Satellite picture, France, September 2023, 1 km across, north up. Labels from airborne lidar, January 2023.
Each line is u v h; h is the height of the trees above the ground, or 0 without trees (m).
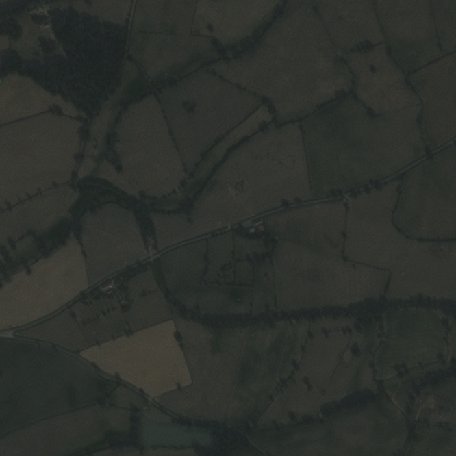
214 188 0
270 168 0
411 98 0
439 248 0
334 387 0
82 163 0
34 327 0
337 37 0
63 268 0
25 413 0
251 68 0
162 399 0
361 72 0
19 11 15
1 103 0
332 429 0
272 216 0
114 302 0
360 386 0
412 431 22
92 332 0
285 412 0
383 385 17
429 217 0
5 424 0
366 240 0
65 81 20
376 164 0
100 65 23
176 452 0
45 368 0
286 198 0
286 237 0
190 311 8
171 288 0
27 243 0
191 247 0
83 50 23
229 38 0
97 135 0
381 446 0
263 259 11
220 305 0
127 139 0
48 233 0
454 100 0
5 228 0
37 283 0
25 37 0
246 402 0
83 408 0
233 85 0
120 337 0
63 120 0
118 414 0
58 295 0
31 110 0
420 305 14
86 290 0
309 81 0
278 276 0
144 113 0
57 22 23
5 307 0
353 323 0
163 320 0
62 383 0
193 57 0
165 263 0
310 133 0
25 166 0
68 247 0
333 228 0
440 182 0
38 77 24
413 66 0
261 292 0
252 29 0
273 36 0
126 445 14
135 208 7
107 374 0
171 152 0
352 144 0
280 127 7
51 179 0
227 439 21
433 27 0
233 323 13
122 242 0
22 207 0
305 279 0
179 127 0
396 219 0
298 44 0
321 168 0
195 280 0
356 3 0
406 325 0
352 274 0
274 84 0
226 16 0
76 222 17
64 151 0
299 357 0
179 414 0
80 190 15
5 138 0
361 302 0
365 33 0
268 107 12
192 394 0
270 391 0
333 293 0
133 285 0
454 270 0
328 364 0
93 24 21
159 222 0
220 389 0
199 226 0
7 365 0
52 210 0
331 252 0
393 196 0
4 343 0
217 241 0
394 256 0
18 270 0
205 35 0
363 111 0
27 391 0
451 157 0
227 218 0
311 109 0
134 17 0
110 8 0
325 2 0
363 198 0
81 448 0
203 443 0
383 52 0
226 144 0
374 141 0
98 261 0
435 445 0
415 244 0
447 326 19
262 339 0
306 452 0
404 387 0
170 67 0
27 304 0
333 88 0
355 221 0
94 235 0
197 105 0
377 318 16
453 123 0
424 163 0
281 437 0
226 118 0
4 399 0
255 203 0
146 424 0
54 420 0
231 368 0
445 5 0
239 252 0
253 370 0
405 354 0
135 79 0
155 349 0
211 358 0
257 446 0
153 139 0
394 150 0
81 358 0
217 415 0
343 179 0
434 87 0
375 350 0
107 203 0
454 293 0
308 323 0
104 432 0
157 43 0
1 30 18
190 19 0
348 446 0
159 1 0
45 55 0
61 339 0
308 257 0
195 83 0
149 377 0
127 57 6
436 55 0
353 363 0
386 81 0
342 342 0
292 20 0
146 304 0
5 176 0
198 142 0
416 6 0
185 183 12
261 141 0
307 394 0
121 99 0
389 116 0
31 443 0
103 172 0
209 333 0
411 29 0
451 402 0
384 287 0
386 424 0
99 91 24
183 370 0
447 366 0
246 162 0
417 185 0
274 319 14
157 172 0
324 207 0
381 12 0
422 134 0
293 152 0
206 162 0
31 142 0
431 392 0
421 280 0
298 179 0
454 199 0
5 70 22
